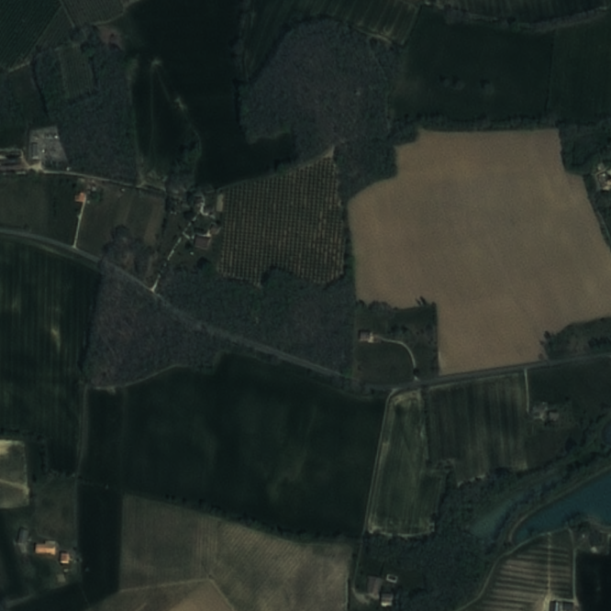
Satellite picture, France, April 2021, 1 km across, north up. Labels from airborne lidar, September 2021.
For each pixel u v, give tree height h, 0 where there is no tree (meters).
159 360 19
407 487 0
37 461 0
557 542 0
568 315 0
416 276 0
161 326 11
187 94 0
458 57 0
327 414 0
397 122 10
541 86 0
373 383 0
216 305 23
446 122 13
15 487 0
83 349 0
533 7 0
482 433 0
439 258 0
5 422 0
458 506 22
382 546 21
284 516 0
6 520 0
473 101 0
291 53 20
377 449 0
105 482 0
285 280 18
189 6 0
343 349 19
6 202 0
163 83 0
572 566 0
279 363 15
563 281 0
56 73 21
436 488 0
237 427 0
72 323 0
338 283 15
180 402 0
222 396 0
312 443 0
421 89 0
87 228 0
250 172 0
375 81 19
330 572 0
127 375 17
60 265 0
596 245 0
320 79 18
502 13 0
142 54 0
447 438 0
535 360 0
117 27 0
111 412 0
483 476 0
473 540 17
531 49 0
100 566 0
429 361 0
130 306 14
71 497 0
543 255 0
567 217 0
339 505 0
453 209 0
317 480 0
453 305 0
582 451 29
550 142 0
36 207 0
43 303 0
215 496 0
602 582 0
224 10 0
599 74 0
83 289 0
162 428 0
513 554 0
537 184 0
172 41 0
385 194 0
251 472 0
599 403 0
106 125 19
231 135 0
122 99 20
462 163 0
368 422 0
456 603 22
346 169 19
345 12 0
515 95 0
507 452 0
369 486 0
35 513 0
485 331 0
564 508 0
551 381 0
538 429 0
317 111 18
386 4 0
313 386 0
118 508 0
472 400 0
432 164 0
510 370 0
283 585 0
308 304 18
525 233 0
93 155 18
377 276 0
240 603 0
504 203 0
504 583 0
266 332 18
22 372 0
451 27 0
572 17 13
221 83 0
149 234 0
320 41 19
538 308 0
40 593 0
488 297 0
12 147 0
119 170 17
